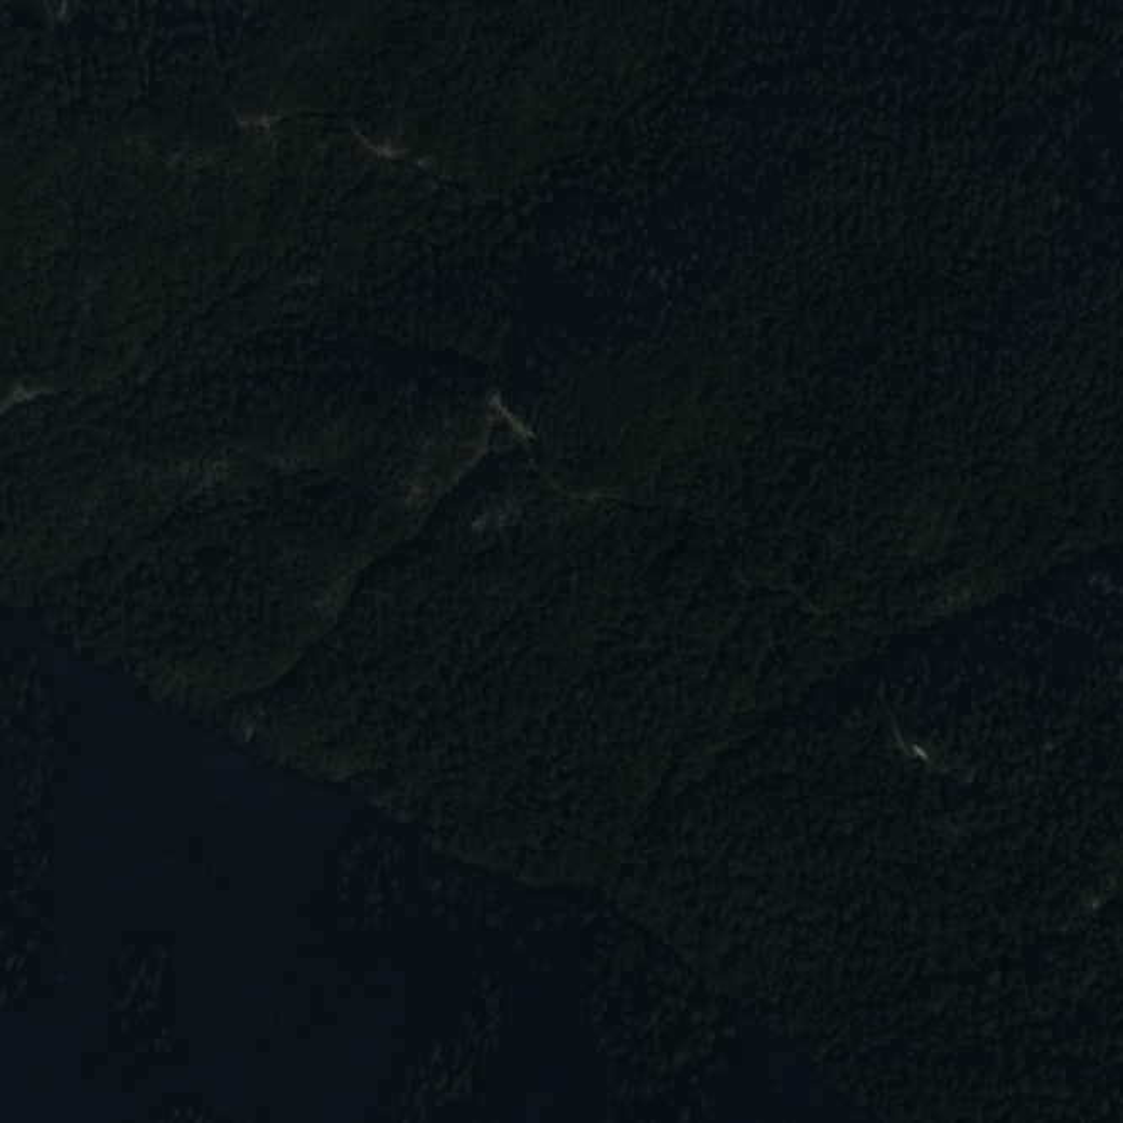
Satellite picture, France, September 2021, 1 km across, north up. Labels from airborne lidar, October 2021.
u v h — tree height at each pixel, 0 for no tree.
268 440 20
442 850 25
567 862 22
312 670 26
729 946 24
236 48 21
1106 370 29
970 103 26
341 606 12
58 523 14
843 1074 22
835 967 26
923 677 23
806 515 28
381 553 18
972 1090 25
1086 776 22
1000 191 19
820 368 23
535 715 29
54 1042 39
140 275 25
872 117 33
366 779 25
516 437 12
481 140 14
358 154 16
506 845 18
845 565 20
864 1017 20
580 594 20
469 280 31
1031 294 27
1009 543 19
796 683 26
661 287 37
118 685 31
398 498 10
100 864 22
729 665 25
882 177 31
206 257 22
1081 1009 11
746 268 31
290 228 22
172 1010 38
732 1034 21
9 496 16
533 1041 14
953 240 26
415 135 13
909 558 22
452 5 22
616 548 22
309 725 22
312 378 27
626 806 29
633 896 23
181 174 21
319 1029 34
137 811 24
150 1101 32
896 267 18
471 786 23
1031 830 17
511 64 29
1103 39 38
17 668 28
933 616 25
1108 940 9
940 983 40
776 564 29
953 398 27
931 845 18
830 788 25
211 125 23
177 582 12
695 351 23
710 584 27
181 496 25
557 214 25
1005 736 33
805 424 18
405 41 28
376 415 26
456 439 13
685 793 12
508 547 13
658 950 21
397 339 26
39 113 25
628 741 29
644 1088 31
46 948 39
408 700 17
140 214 24
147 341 17
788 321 24
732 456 29
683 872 27
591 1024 33
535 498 17
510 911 17
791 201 37
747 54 29
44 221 18
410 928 14
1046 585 37
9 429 17
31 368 19
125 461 15
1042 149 25
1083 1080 20
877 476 29
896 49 27
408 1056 42
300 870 31
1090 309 23
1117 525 32
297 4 25
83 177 21
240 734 18
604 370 19
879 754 14
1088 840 14
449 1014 38
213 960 32
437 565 19
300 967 16
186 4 25
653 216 18
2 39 26
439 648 12
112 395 16
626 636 8
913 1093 22
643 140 16
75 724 24
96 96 22
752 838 22
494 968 10
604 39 25
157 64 21
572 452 17
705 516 30
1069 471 20
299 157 19
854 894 16
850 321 27
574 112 20
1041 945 18
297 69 18
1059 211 31
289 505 32
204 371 23
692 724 21
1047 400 21
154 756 24
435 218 24
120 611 21
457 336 25
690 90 29
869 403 40
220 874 33
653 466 15
